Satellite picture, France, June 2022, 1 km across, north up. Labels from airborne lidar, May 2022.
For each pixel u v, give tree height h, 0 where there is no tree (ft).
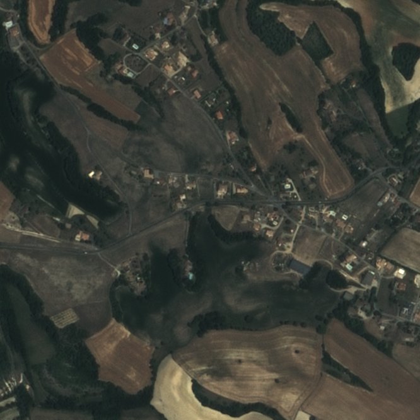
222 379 0
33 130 0
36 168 0
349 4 0
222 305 0
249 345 0
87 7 0
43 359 0
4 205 0
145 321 0
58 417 0
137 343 0
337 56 0
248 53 0
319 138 0
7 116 0
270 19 30
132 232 0
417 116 24
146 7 0
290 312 0
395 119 0
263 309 0
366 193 0
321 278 0
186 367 0
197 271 42
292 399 0
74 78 0
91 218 0
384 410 0
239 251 0
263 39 32
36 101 0
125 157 0
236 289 0
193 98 0
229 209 0
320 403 0
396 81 0
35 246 0
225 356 0
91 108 47
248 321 53
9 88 51
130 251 0
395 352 0
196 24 0
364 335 32
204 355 0
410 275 0
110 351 0
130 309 0
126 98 0
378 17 0
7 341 33
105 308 0
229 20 0
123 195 0
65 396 28
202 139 0
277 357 0
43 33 0
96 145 0
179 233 0
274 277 0
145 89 35
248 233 35
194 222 44
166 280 0
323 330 54
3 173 46
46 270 0
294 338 0
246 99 0
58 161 0
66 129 0
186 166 0
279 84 0
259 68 0
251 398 0
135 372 0
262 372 0
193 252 57
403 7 0
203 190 0
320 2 39
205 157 0
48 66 0
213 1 0
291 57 0
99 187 28
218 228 36
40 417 0
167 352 0
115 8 0
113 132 0
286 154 0
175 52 0
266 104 0
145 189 0
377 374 0
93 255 0
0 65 0
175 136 0
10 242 0
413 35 0
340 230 0
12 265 0
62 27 52
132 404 48
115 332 0
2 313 48
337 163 0
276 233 0
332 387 0
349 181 0
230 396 0
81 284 0
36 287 0
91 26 51
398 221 27
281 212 0
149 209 0
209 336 0
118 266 0
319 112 22
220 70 48
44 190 0
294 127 28
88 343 0
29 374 30
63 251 0
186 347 0
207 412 0
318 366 0
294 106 0
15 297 0
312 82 0
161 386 0
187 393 0
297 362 0
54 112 0
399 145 38
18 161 0
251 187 0
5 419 0
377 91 27
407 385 0
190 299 0
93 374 25
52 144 50
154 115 0
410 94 0
